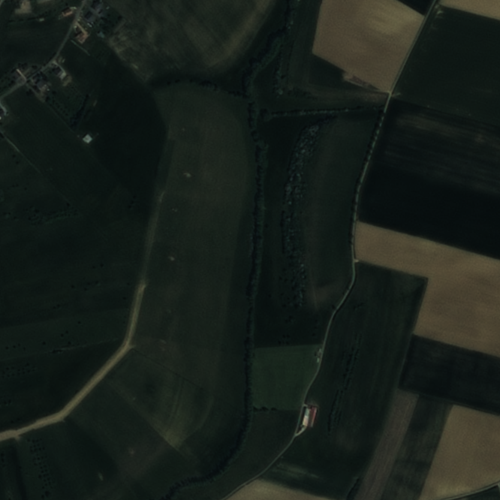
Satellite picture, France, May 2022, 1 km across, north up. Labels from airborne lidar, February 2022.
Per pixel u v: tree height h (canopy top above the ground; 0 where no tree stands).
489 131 0
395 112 0
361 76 0
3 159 0
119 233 0
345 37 0
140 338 0
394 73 0
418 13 0
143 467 0
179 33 0
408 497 0
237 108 0
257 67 20
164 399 0
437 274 0
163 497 0
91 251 0
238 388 0
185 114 0
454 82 0
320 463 0
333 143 0
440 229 0
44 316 0
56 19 0
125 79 0
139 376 0
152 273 0
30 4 0
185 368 0
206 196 0
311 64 0
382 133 0
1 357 0
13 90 0
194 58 0
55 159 0
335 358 0
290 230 7
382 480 0
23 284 0
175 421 0
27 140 0
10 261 0
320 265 0
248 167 0
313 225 0
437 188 0
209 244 0
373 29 0
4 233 0
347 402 0
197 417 0
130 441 0
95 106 0
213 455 0
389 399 0
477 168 0
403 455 0
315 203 0
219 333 0
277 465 0
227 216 0
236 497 0
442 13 0
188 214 0
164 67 0
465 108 0
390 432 0
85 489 0
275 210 0
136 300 0
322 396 0
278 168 0
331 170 0
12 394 0
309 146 7
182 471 0
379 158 0
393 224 0
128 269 0
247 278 0
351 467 0
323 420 0
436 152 0
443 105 0
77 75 0
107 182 0
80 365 0
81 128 0
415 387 0
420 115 0
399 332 0
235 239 0
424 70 0
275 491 0
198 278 0
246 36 0
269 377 0
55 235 0
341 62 0
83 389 0
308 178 0
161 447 0
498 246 0
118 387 0
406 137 0
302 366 0
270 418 0
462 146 0
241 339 0
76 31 0
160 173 0
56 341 0
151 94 0
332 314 0
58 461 0
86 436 0
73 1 0
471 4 0
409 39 0
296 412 0
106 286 0
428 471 0
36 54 0
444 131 0
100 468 0
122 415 0
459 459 0
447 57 0
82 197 0
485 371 0
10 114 0
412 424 0
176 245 0
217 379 0
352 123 0
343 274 0
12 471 0
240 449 19
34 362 0
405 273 0
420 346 0
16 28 0
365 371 0
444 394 0
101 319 0
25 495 0
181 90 0
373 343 0
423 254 0
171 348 0
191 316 0
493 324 0
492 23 0
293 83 0
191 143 0
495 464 0
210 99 0
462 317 0
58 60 0
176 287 0
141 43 0
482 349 0
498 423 0
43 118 0
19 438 0
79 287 0
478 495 0
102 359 0
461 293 0
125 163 0
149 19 0
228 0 0
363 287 0
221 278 0
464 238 0
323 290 0
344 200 0
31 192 0
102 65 0
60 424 0
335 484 0
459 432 0
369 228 0
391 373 0
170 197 0
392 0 0
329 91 0
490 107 0
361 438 0
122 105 0
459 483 0
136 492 0
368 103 0
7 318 0
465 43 0
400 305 0
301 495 0
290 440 0
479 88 0
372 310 0
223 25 0
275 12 0
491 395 0
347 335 0
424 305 0
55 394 0
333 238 0
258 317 0
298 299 6
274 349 0
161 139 0
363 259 0
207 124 0
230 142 0
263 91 0
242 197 0
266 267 0
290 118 0
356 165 0
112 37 0
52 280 0
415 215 0
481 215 0
